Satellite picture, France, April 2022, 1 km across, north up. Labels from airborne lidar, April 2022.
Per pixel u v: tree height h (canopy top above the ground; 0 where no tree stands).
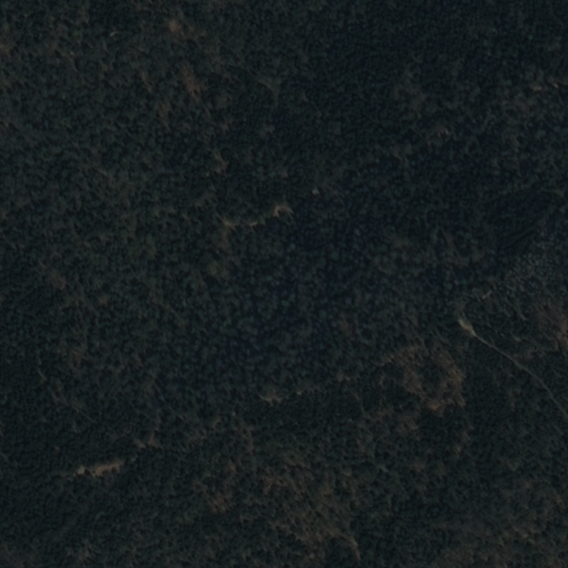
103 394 26
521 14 29
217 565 27
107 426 21
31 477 17
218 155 15
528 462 24
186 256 11
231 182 18
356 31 26
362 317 15
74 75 33
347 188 11
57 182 21
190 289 21
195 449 11
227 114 11
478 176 15
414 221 21
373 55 27
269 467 13
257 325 19
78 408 24
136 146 37
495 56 23
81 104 33
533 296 26
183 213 35
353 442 21
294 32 11
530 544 22
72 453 20
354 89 20
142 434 18
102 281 21
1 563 23
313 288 33
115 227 9
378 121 23
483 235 30
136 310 25
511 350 25
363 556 13
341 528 21
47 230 24
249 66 10
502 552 29
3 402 19
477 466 20
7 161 9
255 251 22
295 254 17
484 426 27
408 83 28
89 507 22
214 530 22
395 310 23
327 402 19
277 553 21
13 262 16
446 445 27
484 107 24
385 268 22
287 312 22
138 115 23
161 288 14
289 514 20
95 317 13
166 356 36
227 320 23
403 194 25
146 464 14
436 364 16
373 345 33
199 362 28
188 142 34
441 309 26
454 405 13
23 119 29
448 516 23
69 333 25
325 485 26
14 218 17
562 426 29
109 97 30
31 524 28
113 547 22
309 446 18
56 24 10
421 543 18
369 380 19
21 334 29
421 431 12
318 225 23
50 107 31
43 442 22
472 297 21
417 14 12
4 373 21
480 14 30
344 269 18
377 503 23
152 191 30
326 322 25
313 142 23
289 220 19
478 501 34
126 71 34
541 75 30
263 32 19
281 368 15
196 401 39
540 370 23
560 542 24
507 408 25
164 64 31
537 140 27
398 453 30
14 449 21
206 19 22
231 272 11
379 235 21
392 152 29
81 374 30
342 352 27
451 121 21
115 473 14
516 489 25
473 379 28
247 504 32
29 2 20
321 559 16
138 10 22
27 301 13
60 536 25
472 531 31
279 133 15
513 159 20
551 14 27
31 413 21
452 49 22
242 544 25
